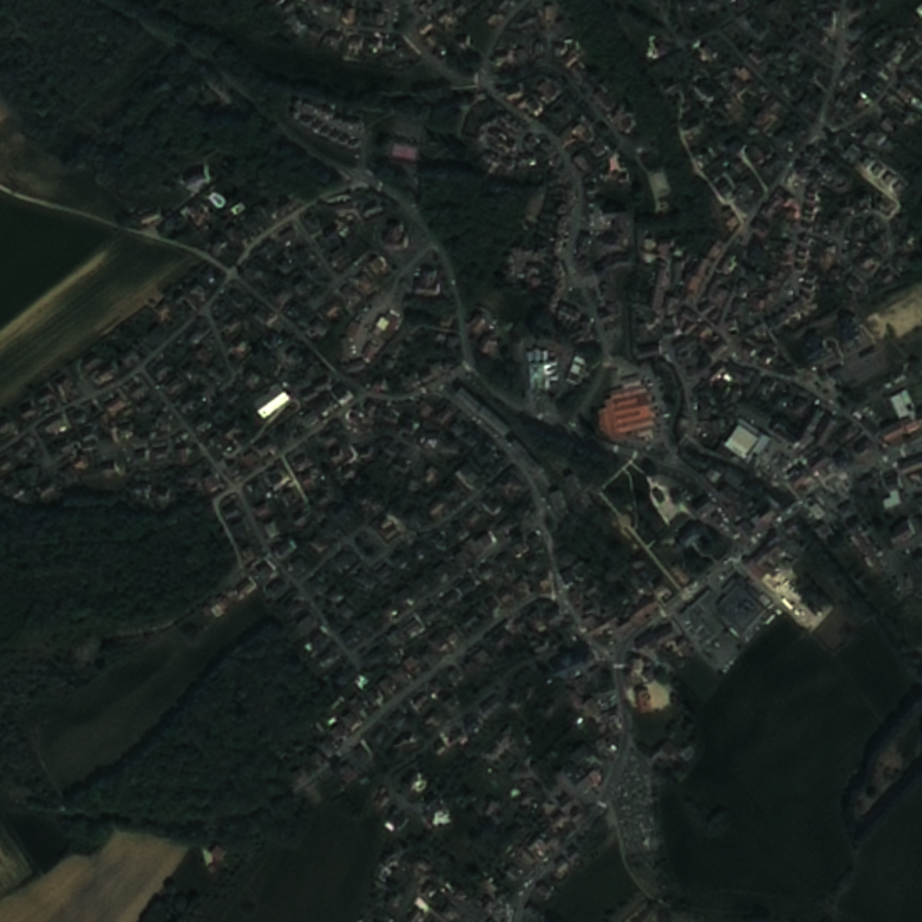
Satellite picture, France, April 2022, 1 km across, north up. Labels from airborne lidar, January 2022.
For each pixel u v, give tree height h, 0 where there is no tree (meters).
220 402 10
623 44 17
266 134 20
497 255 12
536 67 8
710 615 0
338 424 7
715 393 6
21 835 0
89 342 0
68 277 0
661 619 0
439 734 0
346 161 0
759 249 17
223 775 24
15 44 9
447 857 9
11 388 0
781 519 0
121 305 0
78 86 20
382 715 0
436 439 0
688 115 6
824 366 0
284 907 0
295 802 23
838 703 0
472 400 0
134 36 25
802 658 0
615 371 0
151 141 25
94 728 0
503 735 0
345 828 0
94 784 15
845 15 0
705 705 0
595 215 0
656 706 0
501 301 0
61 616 18
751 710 0
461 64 12
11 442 0
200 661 0
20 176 0
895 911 0
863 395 0
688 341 0
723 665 0
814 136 0
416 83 0
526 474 0
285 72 0
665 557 0
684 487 0
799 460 0
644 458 0
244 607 0
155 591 21
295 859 0
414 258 0
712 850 0
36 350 0
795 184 0
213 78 19
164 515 8
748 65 0
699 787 0
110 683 0
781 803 0
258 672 20
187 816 19
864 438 0
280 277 9
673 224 12
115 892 0
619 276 0
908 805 0
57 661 9
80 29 21
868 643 0
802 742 0
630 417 0
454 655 0
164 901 8
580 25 20
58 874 0
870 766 17
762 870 0
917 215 15
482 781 0
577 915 0
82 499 17
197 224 10
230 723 25
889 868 0
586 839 8
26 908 0
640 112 14
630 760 0
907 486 0
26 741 11
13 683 9
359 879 0
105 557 21
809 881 0
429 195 18
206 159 0
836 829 0
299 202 0
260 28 12
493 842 20
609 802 0
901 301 0
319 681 6
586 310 0
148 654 0
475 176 20
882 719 0
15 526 27
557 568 0
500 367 9
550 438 18
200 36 14
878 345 0
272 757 24
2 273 0
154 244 0
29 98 29
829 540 8
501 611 0
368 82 0
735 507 0
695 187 15
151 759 19
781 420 9
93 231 0
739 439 0
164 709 0
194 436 0
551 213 6
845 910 0
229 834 27
